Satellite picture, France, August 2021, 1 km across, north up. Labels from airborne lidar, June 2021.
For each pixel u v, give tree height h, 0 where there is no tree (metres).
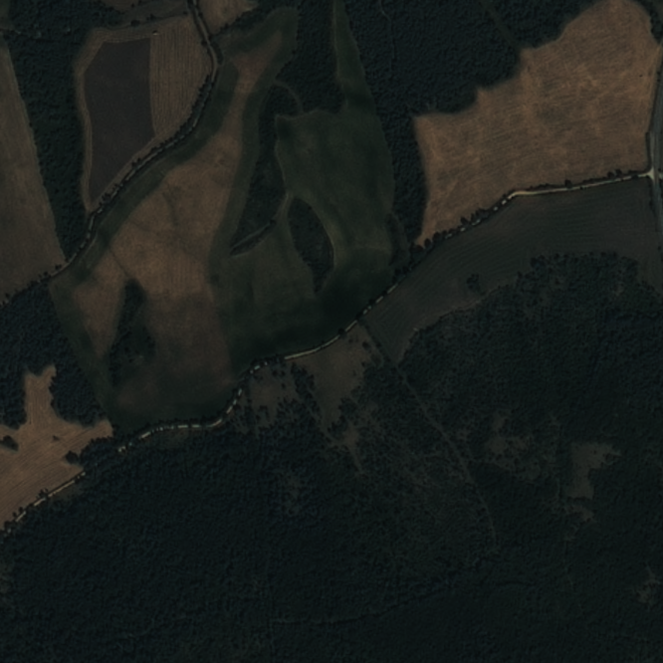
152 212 0
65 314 0
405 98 15
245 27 7
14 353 17
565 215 0
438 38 9
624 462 10
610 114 0
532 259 0
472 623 11
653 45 0
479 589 11
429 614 11
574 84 0
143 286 0
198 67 0
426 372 5
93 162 0
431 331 9
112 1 0
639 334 10
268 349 0
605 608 9
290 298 0
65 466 0
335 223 0
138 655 9
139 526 12
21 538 12
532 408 7
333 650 7
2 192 0
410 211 9
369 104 0
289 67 7
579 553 12
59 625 14
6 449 0
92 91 0
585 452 0
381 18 10
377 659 7
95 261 0
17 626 10
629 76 0
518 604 7
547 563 9
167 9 0
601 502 8
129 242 0
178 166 0
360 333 0
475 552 11
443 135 0
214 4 0
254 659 7
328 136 0
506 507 7
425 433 15
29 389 0
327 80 8
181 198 0
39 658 5
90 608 12
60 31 11
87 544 12
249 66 0
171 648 8
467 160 0
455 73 11
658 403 9
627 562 9
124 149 0
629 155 0
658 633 11
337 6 0
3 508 0
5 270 0
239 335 0
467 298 0
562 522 7
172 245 0
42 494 7
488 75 10
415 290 0
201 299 0
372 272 0
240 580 10
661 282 0
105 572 15
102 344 0
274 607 8
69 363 15
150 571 7
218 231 0
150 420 0
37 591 12
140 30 0
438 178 0
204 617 15
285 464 6
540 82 0
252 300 0
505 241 0
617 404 8
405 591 9
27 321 13
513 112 0
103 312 0
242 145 0
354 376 0
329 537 12
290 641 7
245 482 9
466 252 0
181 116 0
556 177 0
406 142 16
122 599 10
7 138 0
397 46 16
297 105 9
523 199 0
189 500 14
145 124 0
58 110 13
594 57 0
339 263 0
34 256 0
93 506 13
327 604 8
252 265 0
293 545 10
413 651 10
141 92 0
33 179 0
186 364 0
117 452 12
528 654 11
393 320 0
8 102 0
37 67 6
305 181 0
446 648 10
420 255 18
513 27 12
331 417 0
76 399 17
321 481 10
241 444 12
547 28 12
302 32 9
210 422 11
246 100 0
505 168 0
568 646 13
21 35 7
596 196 0
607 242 0
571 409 8
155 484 14
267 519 13
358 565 9
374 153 0
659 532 12
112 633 6
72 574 11
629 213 0
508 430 9
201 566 12
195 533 13
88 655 10
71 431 0
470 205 0
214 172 0
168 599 12
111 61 0
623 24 0
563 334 5
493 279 0
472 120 0
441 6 14
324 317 0
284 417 7
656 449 8
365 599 11
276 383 0
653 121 0
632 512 15
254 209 0
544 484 7
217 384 0
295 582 10
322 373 0
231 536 13
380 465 9
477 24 12
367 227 0
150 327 0
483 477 8
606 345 8
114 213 0
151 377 0
